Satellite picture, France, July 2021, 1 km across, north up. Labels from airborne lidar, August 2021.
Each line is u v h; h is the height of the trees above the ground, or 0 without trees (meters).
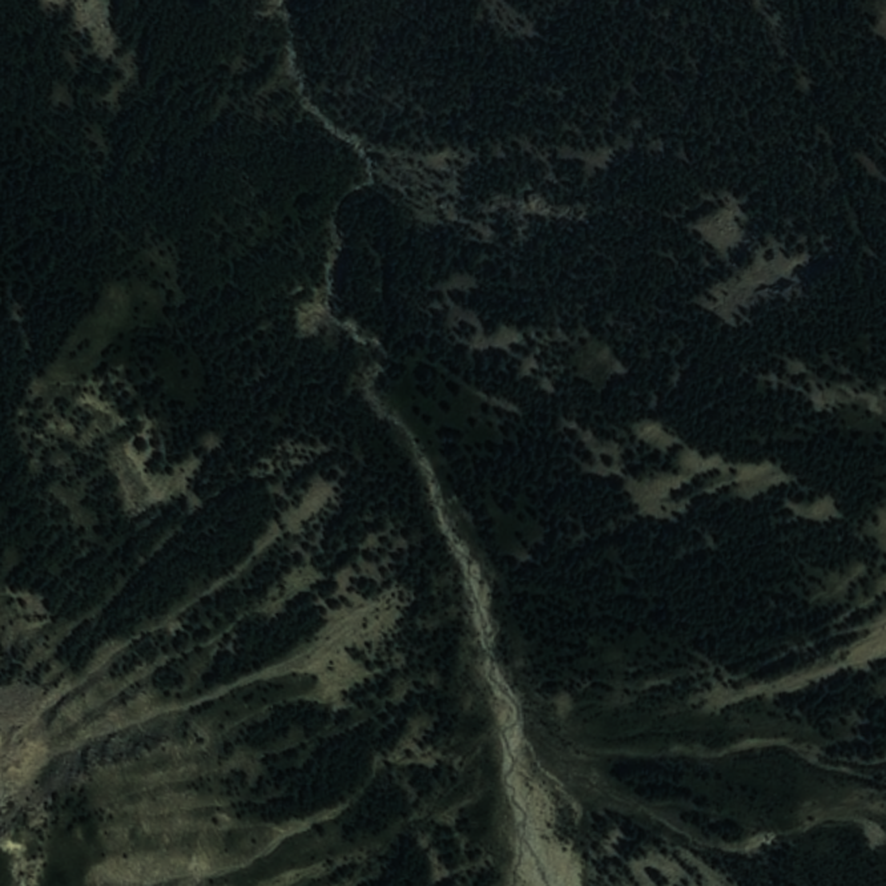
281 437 13
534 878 0
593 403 17
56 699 0
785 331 14
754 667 19
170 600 14
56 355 10
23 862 0
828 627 13
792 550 11
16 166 11
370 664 16
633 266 20
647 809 0
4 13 23
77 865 0
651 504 0
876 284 16
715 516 13
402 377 9
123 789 0
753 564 15
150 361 13
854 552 9
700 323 17
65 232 7
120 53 11
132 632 15
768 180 19
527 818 0
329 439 25
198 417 13
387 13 23
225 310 21
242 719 0
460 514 0
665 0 21
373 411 14
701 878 8
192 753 0
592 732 0
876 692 15
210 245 19
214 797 0
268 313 11
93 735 0
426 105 22
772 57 11
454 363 21
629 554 20
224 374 13
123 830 0
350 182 12
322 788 19
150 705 0
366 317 12
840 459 18
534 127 17
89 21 0
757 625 19
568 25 18
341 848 0
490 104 19
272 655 20
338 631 0
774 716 7
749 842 0
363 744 18
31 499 18
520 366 11
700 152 15
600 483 26
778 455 11
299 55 7
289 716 12
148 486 0
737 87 18
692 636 20
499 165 17
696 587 21
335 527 22
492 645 0
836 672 0
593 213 14
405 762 0
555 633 13
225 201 17
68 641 10
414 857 19
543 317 16
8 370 15
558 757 0
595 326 7
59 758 0
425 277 22
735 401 15
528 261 19
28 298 14
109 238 8
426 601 17
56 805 11
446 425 0
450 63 26
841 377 11
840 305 14
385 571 17
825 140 14
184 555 20
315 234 19
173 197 29
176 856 0
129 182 21
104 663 0
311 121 9
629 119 17
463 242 12
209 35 34
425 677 8
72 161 16
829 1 24
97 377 15
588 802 0
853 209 6
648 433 0
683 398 15
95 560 18
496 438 0
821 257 6
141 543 13
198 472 8
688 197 17
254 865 0
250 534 22
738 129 18
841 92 18
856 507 12
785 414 15
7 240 9
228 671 19
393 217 25
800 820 0
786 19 10
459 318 0
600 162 0
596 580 21
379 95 12
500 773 0
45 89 21
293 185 30
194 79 30
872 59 20
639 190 19
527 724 0
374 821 17
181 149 21
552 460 27
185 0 24
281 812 16
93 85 26
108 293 0
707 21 17
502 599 11
